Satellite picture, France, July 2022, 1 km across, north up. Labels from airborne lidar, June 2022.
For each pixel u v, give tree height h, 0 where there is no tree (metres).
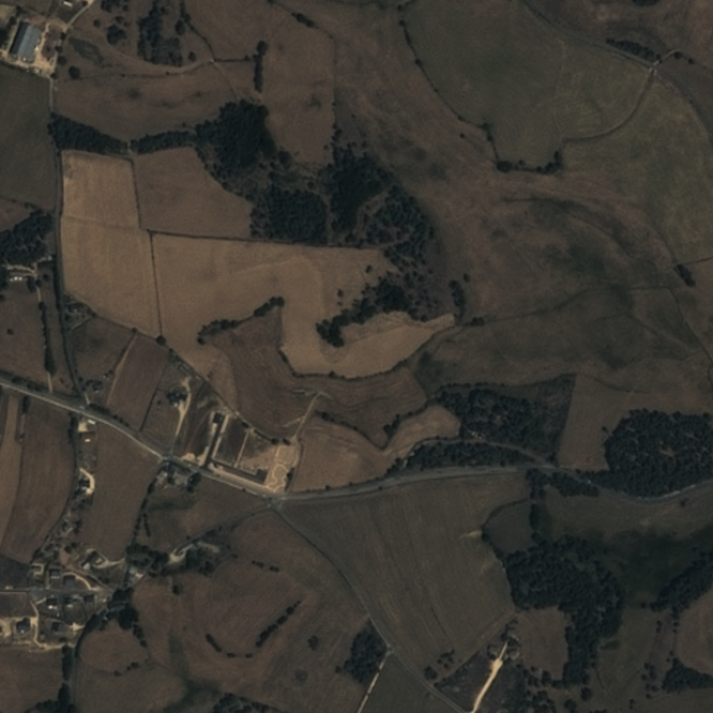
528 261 0
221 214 0
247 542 0
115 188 0
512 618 0
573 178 0
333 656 0
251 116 15
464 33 0
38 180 0
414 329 0
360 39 0
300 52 0
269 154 18
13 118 0
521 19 0
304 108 0
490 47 0
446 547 0
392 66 0
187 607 0
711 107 0
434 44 0
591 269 0
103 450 0
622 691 0
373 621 0
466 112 0
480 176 0
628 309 0
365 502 0
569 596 16
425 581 0
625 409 0
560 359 0
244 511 0
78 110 0
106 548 0
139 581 0
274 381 0
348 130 0
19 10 9
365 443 0
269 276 0
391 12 0
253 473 0
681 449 16
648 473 16
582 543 7
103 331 0
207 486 0
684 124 0
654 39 0
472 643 0
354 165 20
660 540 0
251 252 0
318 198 10
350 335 0
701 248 0
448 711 0
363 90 0
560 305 0
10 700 0
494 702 0
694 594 14
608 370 0
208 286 0
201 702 0
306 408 0
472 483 0
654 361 0
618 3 0
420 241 14
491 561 0
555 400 0
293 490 0
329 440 0
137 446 0
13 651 0
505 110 0
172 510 0
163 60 0
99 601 0
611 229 0
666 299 0
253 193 7
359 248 15
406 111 0
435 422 0
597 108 0
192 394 0
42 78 0
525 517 0
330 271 0
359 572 0
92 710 0
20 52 0
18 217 0
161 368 0
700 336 0
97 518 0
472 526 0
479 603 0
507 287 0
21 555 0
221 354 0
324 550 0
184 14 11
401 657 0
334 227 12
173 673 0
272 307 7
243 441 0
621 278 0
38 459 0
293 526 0
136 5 0
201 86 0
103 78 0
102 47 0
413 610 0
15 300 0
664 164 0
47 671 0
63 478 0
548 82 0
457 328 0
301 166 0
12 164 0
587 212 0
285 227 11
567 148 0
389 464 0
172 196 0
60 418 0
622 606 12
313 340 0
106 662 0
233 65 0
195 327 0
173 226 0
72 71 10
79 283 0
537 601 16
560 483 13
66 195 0
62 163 0
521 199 0
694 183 0
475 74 0
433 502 0
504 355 0
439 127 0
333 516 0
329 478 0
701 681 18
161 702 0
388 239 13
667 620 0
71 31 0
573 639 12
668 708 0
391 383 0
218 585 0
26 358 0
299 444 0
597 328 0
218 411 0
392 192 7
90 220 0
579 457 0
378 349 0
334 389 0
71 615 0
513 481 0
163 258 0
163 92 0
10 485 0
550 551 16
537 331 0
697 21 0
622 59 0
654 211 0
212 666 0
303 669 0
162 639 0
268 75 0
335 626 0
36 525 0
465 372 0
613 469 18
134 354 0
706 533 0
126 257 0
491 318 0
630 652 0
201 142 19
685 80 0
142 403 0
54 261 11
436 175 0
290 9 0
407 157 0
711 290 0
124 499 0
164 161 0
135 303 0
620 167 0
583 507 0
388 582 0
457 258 0
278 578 0
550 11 0
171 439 0
